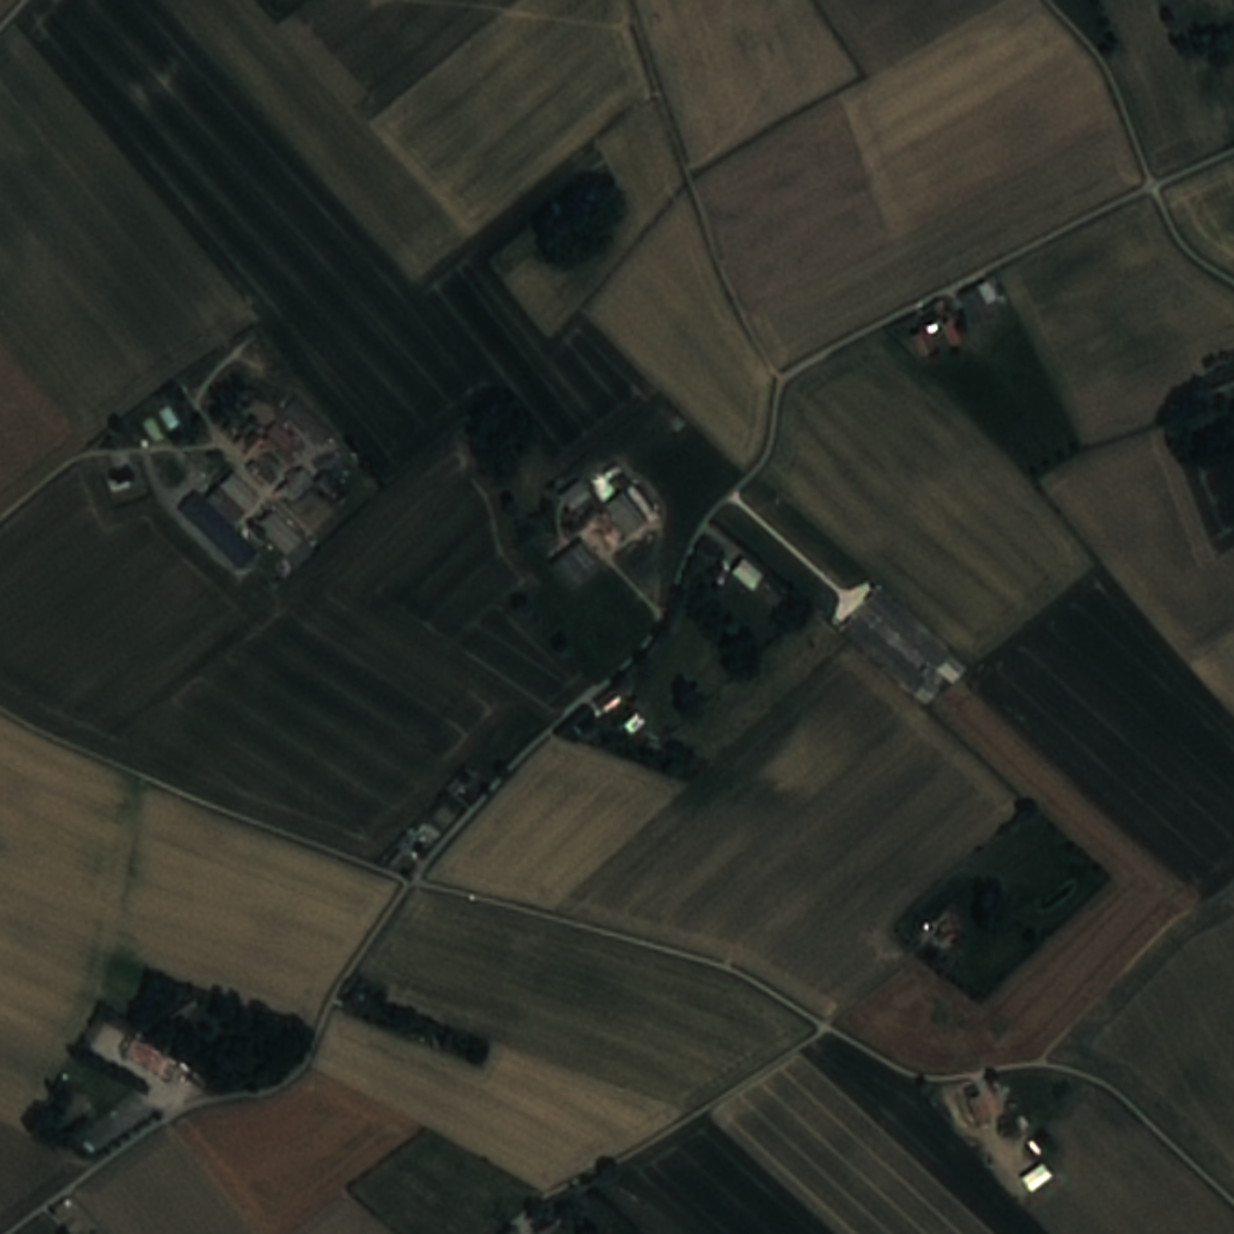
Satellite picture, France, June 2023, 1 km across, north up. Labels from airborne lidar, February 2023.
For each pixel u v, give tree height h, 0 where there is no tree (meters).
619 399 0
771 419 0
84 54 0
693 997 0
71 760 0
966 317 9
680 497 0
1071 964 0
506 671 0
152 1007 16
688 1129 0
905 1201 0
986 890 18
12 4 0
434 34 0
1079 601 0
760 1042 0
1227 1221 0
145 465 0
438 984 0
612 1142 0
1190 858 0
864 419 0
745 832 0
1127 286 0
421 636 0
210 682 0
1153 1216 0
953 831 0
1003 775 0
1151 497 0
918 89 0
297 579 0
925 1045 0
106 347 0
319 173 0
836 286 0
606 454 0
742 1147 0
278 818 0
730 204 0
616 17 0
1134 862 0
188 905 0
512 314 0
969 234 0
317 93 0
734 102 0
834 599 0
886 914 0
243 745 0
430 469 0
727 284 0
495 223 0
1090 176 0
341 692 0
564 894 0
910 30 0
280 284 0
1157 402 0
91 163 0
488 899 0
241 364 0
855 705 0
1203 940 0
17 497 0
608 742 11
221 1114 0
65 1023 0
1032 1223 0
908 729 0
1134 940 0
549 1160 0
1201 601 0
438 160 0
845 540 0
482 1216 0
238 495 0
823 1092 0
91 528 0
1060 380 0
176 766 0
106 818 0
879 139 0
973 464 0
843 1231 0
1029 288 0
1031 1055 0
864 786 0
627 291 0
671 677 0
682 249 0
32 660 0
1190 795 0
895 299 0
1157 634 0
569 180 0
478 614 0
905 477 0
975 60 0
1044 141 0
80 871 0
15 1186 0
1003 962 0
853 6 0
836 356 0
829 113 0
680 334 0
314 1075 0
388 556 0
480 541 0
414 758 0
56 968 0
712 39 0
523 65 0
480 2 0
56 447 0
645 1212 0
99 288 0
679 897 0
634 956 0
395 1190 0
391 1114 0
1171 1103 0
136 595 0
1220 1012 0
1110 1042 0
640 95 0
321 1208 0
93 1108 0
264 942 0
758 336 0
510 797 0
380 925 0
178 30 0
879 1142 0
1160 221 0
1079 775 0
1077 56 0
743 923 0
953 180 0
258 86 0
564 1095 0
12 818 0
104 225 0
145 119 0
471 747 0
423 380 0
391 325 0
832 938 0
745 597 0
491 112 0
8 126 0
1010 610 0
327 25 0
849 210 0
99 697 0
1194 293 0
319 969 0
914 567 0
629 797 0
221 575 0
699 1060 0
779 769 0
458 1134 0
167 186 0
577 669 0
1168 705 0
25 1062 0
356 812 0
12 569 0
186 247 0
